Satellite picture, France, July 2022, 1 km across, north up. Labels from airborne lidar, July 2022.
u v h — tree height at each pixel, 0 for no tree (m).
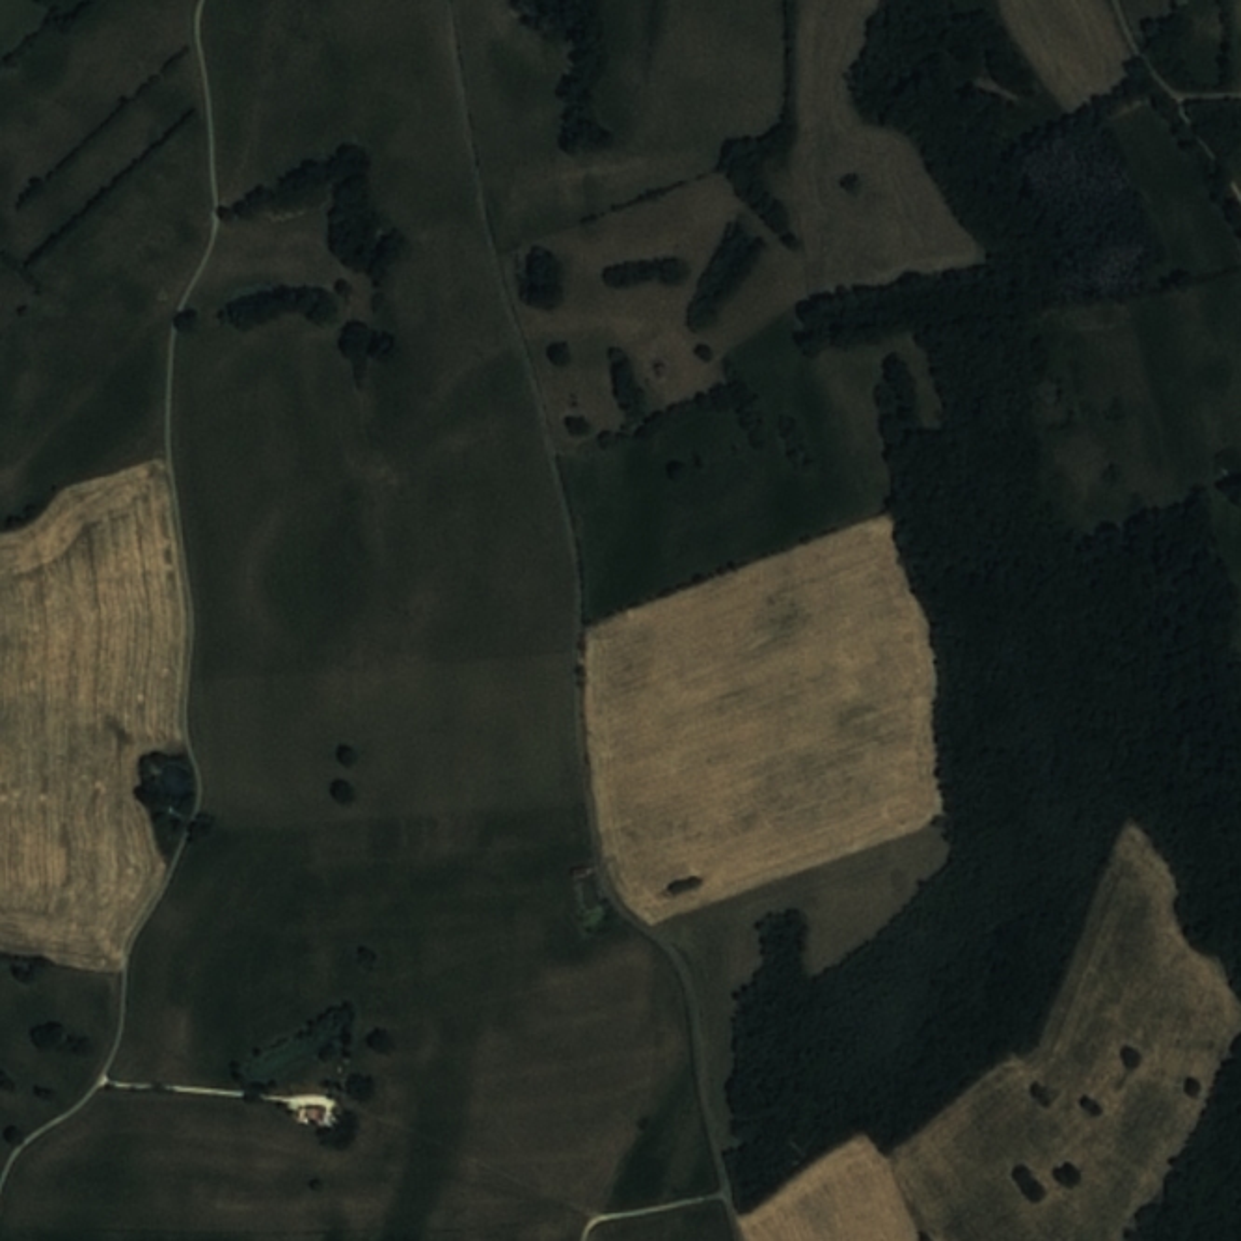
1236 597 16
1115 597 17
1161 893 0
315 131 0
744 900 0
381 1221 0
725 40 0
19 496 0
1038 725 6
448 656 0
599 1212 0
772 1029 11
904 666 0
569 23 19
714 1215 0
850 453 0
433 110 0
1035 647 13
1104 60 0
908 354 0
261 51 0
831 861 0
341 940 0
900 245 0
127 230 0
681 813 0
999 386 16
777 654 0
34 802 0
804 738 0
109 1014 0
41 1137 0
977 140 22
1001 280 18
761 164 12
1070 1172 15
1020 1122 0
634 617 0
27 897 0
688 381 0
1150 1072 0
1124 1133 0
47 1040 15
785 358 0
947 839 9
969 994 14
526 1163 0
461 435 0
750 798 0
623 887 0
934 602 17
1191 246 0
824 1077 6
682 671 0
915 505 14
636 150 0
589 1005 0
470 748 0
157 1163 0
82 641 0
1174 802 11
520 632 0
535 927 0
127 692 0
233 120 0
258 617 0
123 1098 0
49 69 0
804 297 0
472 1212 0
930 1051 10
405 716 0
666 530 0
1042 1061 0
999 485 16
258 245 0
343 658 0
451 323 0
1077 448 0
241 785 0
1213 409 0
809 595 0
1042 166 30
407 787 0
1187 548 18
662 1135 0
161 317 0
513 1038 0
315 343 0
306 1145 0
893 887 0
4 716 0
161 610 0
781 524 0
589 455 0
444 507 0
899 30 16
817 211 0
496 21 0
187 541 0
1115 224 30
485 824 0
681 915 0
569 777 0
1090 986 0
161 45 0
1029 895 9
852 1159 0
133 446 0
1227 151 9
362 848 0
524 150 0
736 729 0
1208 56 0
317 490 0
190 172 0
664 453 0
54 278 0
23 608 0
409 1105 0
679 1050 0
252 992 0
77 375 0
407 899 0
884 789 0
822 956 0
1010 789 13
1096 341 0
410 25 0
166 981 0
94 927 0
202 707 0
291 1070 0
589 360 0
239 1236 0
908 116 15
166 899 0
